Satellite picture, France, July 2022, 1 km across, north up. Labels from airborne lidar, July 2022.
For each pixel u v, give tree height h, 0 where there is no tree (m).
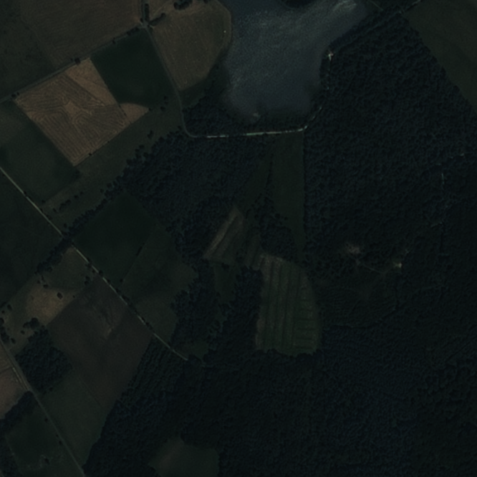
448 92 18
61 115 0
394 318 13
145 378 10
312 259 18
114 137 0
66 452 0
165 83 0
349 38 20
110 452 20
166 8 0
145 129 0
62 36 0
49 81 0
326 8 0
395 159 14
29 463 0
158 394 8
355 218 20
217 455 0
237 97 0
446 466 17
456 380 28
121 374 0
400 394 24
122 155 0
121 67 0
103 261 0
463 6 0
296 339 0
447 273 21
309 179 13
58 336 0
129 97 0
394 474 19
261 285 21
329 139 13
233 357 18
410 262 17
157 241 0
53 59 0
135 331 0
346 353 17
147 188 8
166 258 0
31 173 0
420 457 24
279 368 23
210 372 23
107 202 12
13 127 0
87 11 0
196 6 0
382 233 13
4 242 0
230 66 0
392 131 18
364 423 13
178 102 0
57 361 21
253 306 20
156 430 25
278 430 23
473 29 0
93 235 0
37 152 0
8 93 0
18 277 0
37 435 0
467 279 25
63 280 0
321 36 0
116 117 0
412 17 0
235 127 18
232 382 26
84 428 0
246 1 0
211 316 20
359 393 8
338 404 8
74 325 0
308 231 16
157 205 21
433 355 6
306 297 0
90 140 0
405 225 21
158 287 0
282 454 21
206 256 0
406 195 7
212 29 0
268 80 0
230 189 21
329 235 22
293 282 0
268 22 0
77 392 0
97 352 0
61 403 0
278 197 0
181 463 0
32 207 0
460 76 0
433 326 26
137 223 0
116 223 0
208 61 0
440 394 11
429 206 29
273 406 22
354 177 22
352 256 14
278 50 0
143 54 0
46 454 0
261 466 15
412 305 25
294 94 0
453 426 23
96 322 0
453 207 19
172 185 17
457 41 0
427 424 26
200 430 28
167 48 0
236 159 12
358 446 19
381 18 16
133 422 23
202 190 22
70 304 0
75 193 0
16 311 0
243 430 22
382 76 21
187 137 10
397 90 9
